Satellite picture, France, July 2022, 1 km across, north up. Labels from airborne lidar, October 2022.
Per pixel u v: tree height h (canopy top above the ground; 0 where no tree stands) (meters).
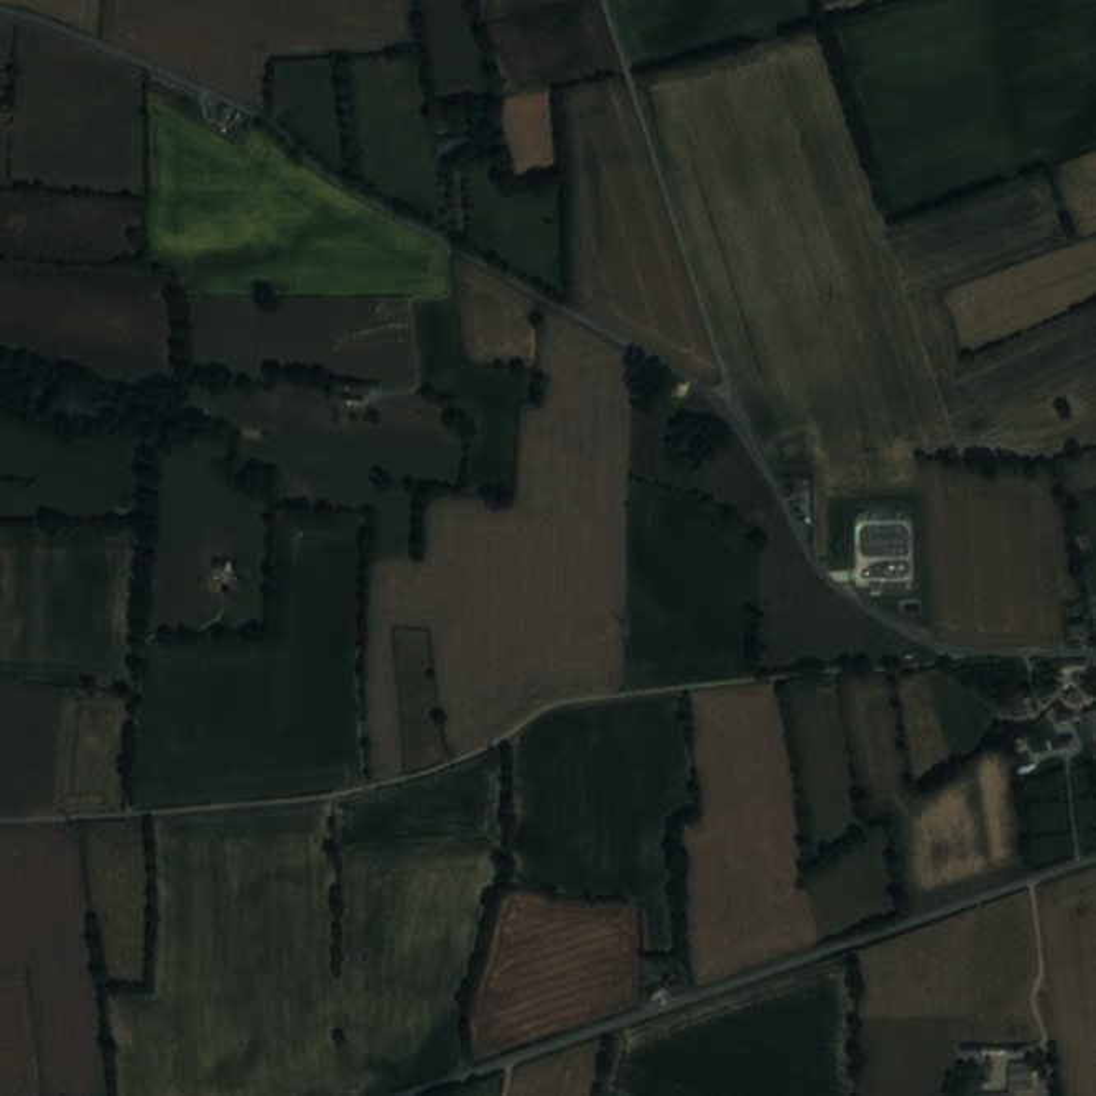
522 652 0
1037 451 0
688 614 0
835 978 0
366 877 0
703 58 14
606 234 0
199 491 0
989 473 18
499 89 8
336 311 0
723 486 0
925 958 0
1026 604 0
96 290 0
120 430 12
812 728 0
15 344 0
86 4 0
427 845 0
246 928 0
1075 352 0
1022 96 0
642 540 0
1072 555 11
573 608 0
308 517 11
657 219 0
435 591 0
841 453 0
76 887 0
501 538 0
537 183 21
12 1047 0
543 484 0
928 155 0
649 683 0
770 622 0
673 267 0
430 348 0
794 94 0
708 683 0
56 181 0
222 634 16
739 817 0
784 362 0
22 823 0
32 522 8
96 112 0
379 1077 0
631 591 0
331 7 0
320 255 0
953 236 0
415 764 0
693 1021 0
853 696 0
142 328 0
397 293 0
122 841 0
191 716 0
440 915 0
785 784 0
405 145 0
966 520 0
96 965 10
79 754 0
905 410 0
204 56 0
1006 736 17
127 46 0
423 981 0
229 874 0
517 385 0
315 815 0
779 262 0
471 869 0
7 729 0
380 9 0
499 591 0
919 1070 0
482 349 0
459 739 0
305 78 0
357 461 0
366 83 0
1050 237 0
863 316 0
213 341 0
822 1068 0
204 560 0
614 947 0
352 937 0
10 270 0
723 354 0
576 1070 0
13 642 0
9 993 0
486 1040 0
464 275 0
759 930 0
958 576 0
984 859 0
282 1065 0
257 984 0
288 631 0
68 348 0
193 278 0
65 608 0
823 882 0
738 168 0
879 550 0
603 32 0
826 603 0
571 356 0
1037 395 0
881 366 0
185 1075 0
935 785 16
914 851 0
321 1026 0
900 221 12
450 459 0
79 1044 0
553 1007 0
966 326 0
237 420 0
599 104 0
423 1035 0
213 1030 0
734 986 0
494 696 0
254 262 0
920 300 0
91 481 0
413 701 0
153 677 0
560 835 0
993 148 0
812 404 0
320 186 0
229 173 0
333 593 0
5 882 0
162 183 0
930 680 0
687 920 15
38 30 0
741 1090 0
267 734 0
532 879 0
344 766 0
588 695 0
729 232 0
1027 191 0
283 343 0
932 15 0
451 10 0
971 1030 0
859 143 12
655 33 0
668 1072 0
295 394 0
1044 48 0
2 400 11
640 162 0
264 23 0
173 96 0
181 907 0
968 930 0
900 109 0
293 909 0
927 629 0
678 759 0
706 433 19
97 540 0
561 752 0
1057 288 0
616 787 0
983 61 0
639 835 0
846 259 0
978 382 0
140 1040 0
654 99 0
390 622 0
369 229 0
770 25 0
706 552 0
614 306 0
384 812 0
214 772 0
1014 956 0
